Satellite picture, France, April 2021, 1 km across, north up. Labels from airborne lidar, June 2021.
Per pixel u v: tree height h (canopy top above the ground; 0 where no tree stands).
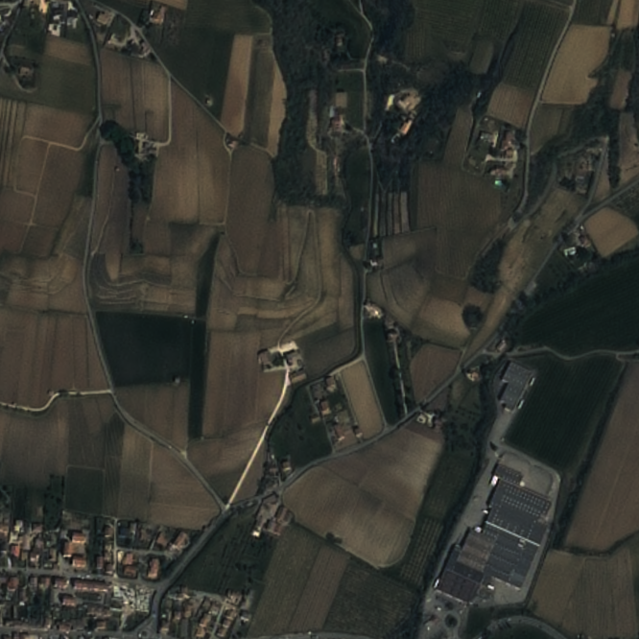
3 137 0
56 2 0
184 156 0
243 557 0
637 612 0
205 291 0
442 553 15
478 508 0
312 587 0
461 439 13
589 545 0
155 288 0
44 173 0
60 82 0
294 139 8
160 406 0
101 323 0
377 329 0
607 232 0
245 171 0
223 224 0
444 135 8
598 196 0
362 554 0
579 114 8
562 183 6
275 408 0
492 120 0
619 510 0
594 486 0
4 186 0
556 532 14
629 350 0
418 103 0
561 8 0
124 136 19
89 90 0
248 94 0
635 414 0
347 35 6
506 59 0
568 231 15
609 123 7
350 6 0
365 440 0
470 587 0
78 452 0
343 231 8
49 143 0
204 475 0
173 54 0
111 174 0
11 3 6
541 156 8
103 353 0
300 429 10
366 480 0
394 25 12
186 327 0
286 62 14
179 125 0
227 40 0
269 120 0
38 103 0
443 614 0
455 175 0
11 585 0
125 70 0
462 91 16
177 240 0
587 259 19
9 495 8
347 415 0
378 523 0
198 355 0
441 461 0
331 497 0
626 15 0
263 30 0
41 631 0
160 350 0
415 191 0
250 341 0
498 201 0
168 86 0
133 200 12
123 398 0
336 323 0
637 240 0
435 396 0
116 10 0
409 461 0
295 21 8
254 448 0
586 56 0
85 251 0
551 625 0
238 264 0
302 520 0
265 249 0
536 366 0
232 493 0
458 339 0
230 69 0
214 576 0
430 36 0
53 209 0
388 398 0
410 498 0
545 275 0
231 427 0
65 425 0
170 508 0
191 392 0
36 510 0
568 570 0
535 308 15
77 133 0
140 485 0
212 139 0
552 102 0
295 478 0
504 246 13
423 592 9
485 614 0
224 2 0
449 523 15
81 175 0
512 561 0
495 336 0
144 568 10
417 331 0
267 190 0
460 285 0
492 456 0
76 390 0
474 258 0
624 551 0
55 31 0
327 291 0
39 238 0
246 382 0
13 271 0
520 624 0
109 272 0
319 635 0
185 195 0
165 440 0
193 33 0
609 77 7
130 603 36
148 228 0
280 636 0
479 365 0
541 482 0
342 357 0
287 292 0
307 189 10
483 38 0
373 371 0
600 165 0
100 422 0
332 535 8
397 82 8
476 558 0
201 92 0
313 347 0
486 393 18
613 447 0
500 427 0
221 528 0
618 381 0
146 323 0
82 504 0
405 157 9
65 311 0
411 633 17
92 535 7
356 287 0
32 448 0
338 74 13
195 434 0
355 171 0
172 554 0
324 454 0
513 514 0
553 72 0
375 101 17
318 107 17
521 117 0
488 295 13
